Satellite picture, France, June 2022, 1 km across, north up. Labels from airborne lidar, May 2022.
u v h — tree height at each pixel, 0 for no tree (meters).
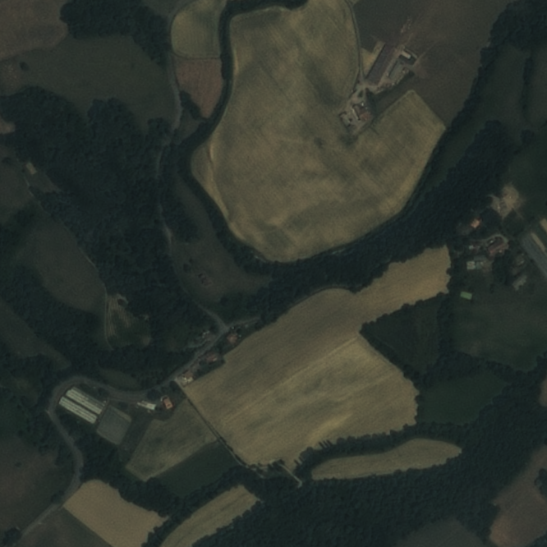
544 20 16
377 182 0
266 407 0
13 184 0
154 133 11
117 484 25
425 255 0
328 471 0
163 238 25
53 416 0
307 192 0
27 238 0
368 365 0
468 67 0
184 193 0
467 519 16
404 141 0
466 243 16
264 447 0
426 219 24
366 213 0
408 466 0
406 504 13
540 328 0
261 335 0
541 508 0
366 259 20
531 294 0
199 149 0
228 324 0
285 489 19
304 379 0
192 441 0
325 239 0
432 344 0
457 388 0
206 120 7
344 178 0
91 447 23
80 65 0
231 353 0
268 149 0
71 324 19
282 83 0
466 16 0
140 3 27
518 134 0
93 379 21
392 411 0
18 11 0
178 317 14
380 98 0
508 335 0
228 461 0
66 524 0
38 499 0
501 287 0
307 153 0
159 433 0
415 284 0
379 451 8
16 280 8
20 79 0
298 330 0
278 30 0
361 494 24
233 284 0
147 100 0
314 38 0
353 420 0
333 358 0
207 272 0
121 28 15
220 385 0
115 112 32
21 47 0
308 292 14
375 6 0
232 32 0
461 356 28
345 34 0
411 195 0
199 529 0
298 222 0
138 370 22
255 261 12
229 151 0
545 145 0
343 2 0
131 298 13
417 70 0
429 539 0
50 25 0
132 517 0
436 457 0
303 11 0
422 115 0
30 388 0
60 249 0
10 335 0
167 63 10
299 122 0
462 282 7
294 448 0
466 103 8
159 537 12
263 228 0
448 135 10
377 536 16
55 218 18
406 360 0
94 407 0
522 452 15
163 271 22
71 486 0
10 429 0
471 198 17
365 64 0
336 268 24
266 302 19
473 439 21
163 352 17
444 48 0
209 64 0
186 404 0
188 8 0
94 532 0
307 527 18
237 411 0
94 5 20
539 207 0
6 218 0
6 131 0
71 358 10
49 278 0
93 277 0
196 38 0
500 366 18
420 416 9
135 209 22
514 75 0
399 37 0
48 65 0
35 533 0
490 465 22
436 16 0
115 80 0
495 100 0
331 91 0
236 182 0
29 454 0
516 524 0
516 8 17
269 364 0
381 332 0
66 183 24
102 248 22
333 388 0
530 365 0
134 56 0
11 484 0
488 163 16
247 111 0
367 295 0
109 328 0
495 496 16
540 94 0
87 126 11
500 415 16
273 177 0
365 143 0
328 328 0
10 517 0
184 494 0
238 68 0
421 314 0
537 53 0
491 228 17
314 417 0
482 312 0
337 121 0
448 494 20
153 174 18
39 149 20
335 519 9
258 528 14
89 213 24
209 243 0
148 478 0
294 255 0
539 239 0
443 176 0
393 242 23
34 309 21
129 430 0
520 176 0
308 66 0
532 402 24
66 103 19
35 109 28
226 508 0
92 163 20
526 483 0
